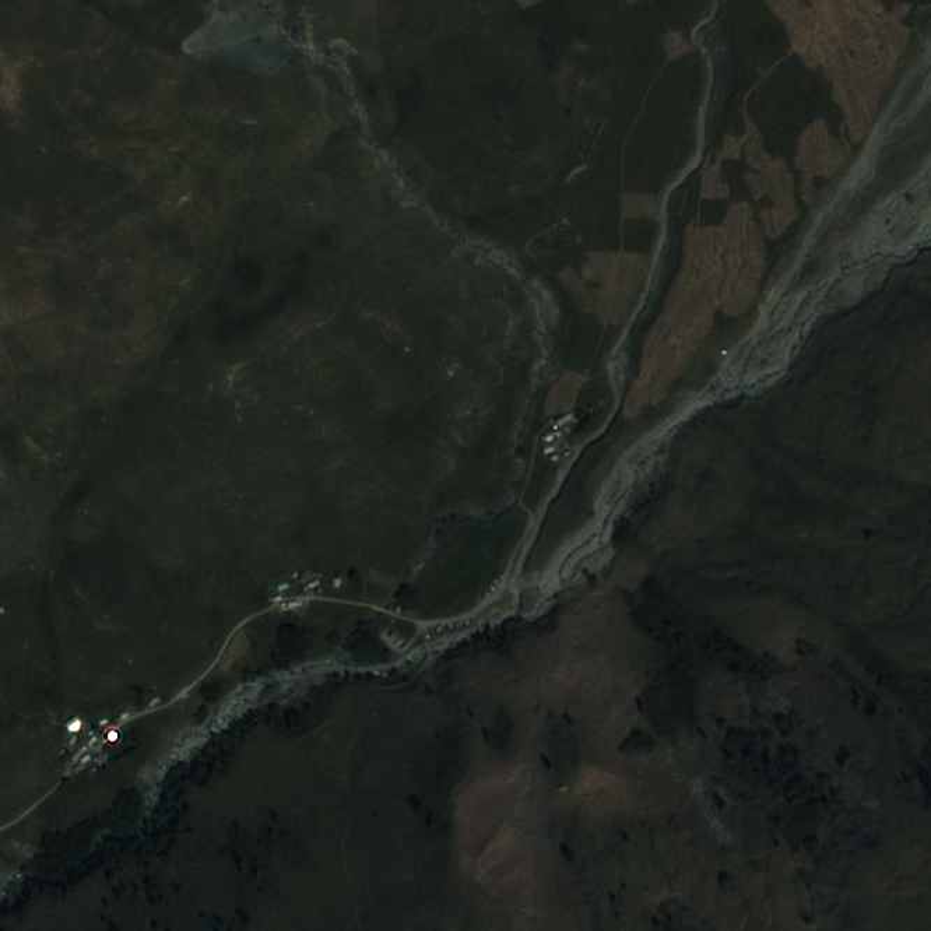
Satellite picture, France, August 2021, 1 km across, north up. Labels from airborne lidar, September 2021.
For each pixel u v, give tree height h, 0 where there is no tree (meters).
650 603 0
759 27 0
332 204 0
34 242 0
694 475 0
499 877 0
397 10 0
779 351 0
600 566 0
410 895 0
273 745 0
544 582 0
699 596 0
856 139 0
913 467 0
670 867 0
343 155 0
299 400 0
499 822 0
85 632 0
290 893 0
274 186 0
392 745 0
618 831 0
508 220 0
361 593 0
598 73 0
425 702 0
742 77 0
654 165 0
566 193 0
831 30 0
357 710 0
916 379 0
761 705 0
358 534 0
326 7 0
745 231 0
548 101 0
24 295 0
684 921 0
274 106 0
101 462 0
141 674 0
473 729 0
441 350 0
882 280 0
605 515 0
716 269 0
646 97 0
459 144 0
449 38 0
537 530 0
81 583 0
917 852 0
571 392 0
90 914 0
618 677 0
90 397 0
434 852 0
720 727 7
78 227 0
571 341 0
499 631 9
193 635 0
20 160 0
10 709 0
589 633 0
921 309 0
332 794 0
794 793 8
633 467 0
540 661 0
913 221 0
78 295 0
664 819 0
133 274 0
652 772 0
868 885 0
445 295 0
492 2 0
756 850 0
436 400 0
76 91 0
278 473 0
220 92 0
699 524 0
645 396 0
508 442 0
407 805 0
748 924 0
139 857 11
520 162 0
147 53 0
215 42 0
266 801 0
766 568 0
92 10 0
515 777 0
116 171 0
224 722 0
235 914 0
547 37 0
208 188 0
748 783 0
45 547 0
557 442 10
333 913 0
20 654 0
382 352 0
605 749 0
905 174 0
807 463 0
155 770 0
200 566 0
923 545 0
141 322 0
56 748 0
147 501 0
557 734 0
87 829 11
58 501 0
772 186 0
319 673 0
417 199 0
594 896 0
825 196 0
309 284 0
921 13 0
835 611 0
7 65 0
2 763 0
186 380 0
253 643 0
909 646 0
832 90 0
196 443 0
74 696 0
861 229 0
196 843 0
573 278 0
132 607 0
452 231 0
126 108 0
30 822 0
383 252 0
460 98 0
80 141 0
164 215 0
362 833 0
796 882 0
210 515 0
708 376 0
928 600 0
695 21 0
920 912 0
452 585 0
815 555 0
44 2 0
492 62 0
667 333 0
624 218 0
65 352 0
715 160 0
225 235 0
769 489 0
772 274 0
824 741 0
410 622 0
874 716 8
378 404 0
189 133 0
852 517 0
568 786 0
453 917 0
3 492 0
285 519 0
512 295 0
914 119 0
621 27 0
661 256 0
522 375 0
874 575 0
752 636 0
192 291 0
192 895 0
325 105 0
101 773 10
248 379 0
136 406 0
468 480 0
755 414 0
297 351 0
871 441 0
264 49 0
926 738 0
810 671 0
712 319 0
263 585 0
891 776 0
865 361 0
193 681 0
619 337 0
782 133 0
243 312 0
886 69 0
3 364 0
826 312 0
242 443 0
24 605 0
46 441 0
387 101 0
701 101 0
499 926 0
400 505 0
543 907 0
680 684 0
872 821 0
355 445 0
